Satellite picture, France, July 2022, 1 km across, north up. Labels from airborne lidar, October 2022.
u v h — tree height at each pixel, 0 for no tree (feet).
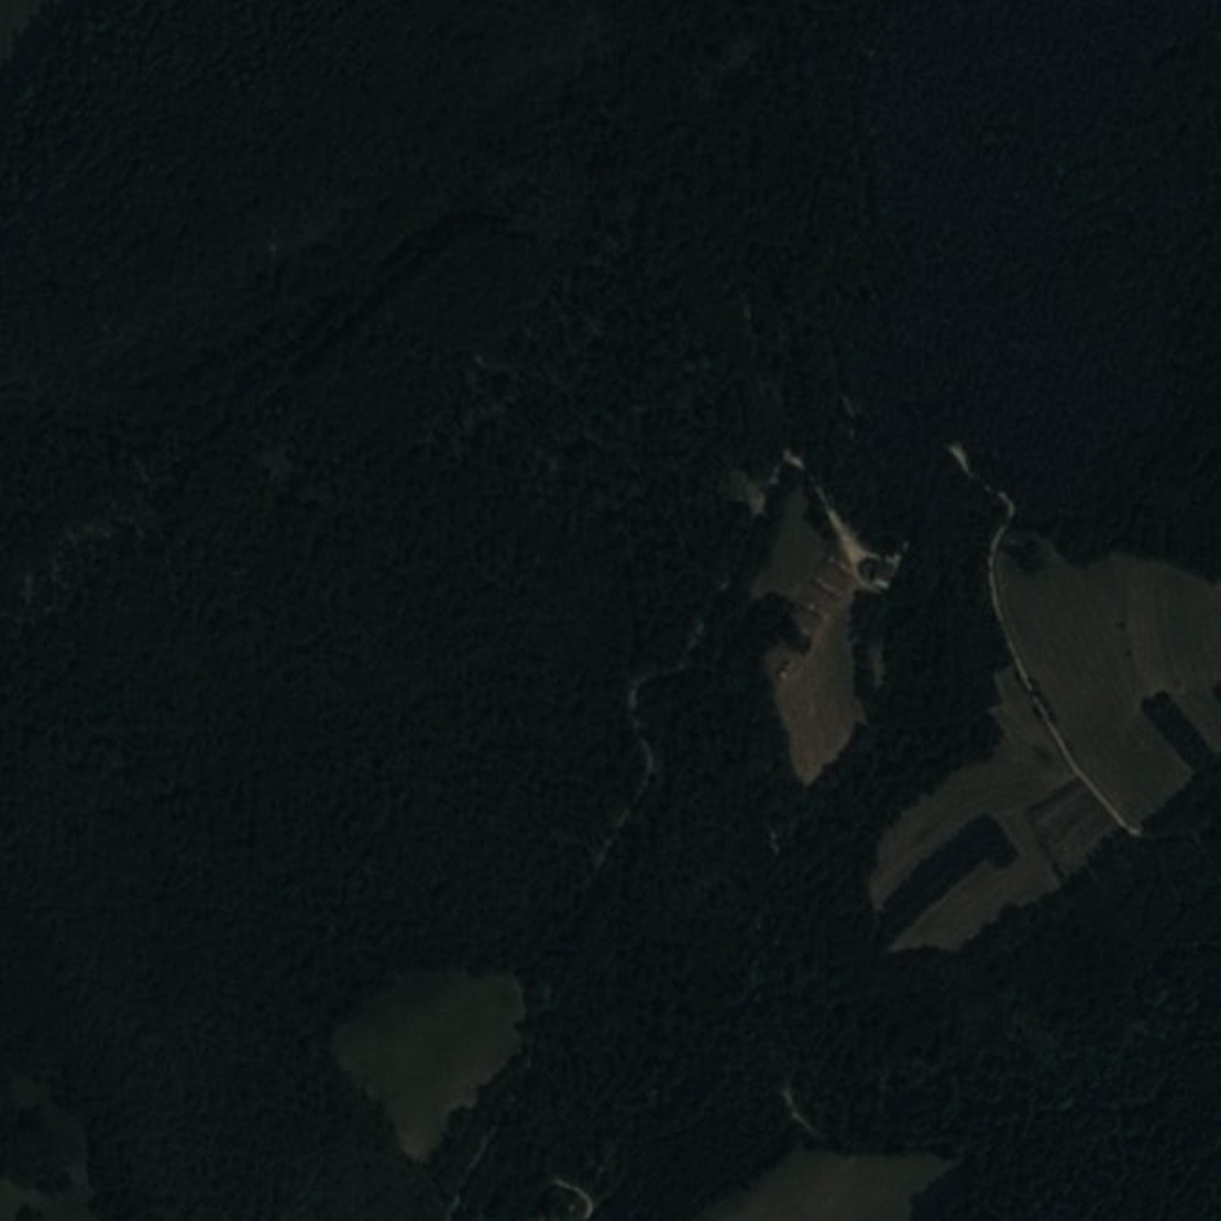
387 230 95
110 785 50
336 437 33
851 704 0
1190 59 58
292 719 26
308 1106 50
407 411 53
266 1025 29
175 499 87
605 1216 22
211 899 32
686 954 57
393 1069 0
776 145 108
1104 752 0
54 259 67
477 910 39
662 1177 18
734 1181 21
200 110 85
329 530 30
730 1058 94
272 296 82
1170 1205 87
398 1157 23
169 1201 41
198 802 33
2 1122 57
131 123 64
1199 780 37
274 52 59
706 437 73
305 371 78
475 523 58
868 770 97
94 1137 56
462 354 57
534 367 52
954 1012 59
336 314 65
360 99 65
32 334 39
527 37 27
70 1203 0
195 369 69
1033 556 65
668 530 57
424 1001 0
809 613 0
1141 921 58
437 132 43
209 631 37
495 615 39
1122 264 29
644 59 88
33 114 98
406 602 50
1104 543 79
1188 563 45
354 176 44
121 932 35
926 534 88
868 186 24
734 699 68
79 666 60
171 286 32
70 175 42
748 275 19
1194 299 54
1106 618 0
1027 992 87
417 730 22
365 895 36
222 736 32
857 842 53
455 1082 0
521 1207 22
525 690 49
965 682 71
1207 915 69
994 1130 73
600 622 25
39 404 30
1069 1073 41
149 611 52
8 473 42
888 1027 85
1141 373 75
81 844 42
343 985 49
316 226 26
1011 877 0
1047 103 74
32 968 57
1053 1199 97
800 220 91
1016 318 86
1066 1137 98
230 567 48
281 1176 37
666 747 59
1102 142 64
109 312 28
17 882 52
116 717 54
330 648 48
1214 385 43
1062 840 0
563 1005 21
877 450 78
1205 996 34
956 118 68
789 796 70
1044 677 0
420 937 44
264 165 59
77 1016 47
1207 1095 41
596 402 79
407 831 30
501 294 61
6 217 86
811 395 85
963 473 102
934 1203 34
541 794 50
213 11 72
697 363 85
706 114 56
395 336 59
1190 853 62
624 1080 22
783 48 67
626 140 78
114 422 64
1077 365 82
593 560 43
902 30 76
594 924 83
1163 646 0
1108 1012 60
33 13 0
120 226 34
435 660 43
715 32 25
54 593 67
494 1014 0
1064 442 88
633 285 71
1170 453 78
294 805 33
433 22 57
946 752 82
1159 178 75
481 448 57
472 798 47
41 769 49
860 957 73
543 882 29
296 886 38
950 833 0
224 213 71
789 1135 38
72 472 51
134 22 61
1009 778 0
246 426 36
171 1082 37
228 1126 33
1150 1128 62
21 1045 57
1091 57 82
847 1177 0
